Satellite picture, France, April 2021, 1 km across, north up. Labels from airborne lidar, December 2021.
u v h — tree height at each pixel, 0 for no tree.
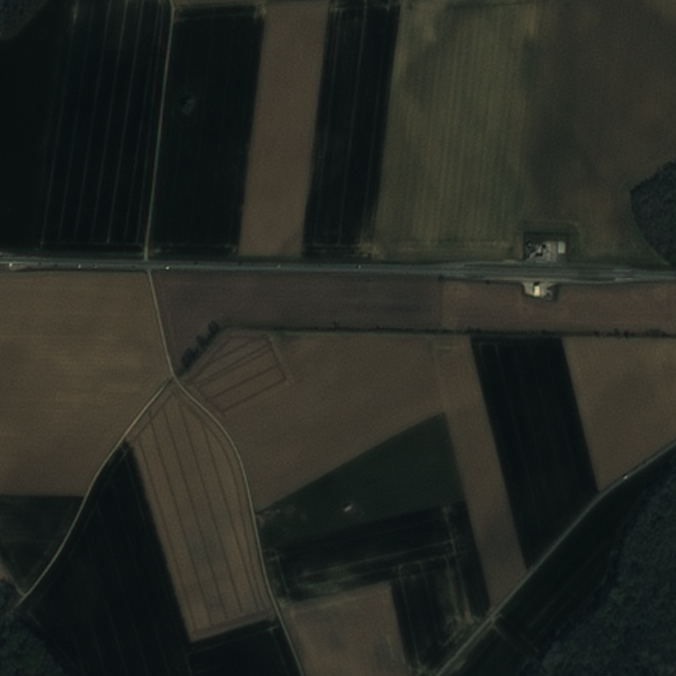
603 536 0
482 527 0
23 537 0
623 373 0
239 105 0
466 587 0
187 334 0
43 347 0
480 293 0
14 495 0
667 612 29
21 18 20
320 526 0
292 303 0
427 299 0
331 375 0
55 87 0
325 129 0
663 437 0
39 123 0
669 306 0
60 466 0
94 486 0
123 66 0
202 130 0
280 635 0
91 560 0
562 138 0
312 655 0
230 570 0
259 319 0
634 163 0
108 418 0
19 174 0
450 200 0
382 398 0
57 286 0
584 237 0
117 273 0
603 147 0
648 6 0
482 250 0
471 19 0
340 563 0
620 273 0
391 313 0
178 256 0
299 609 0
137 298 0
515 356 0
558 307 0
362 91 0
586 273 0
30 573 0
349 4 0
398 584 0
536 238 0
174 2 0
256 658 0
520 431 0
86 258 0
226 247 0
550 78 0
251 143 0
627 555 18
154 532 0
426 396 0
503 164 0
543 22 0
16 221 0
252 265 0
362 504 0
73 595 0
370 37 0
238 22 0
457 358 0
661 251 14
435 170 0
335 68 0
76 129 0
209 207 0
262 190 0
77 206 0
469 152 0
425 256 0
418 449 0
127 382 0
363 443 0
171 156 0
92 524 0
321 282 0
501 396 0
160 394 0
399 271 0
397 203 0
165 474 0
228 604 0
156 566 0
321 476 0
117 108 0
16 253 0
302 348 0
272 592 0
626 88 0
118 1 0
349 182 0
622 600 20
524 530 0
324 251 0
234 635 0
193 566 0
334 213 0
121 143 0
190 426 0
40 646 23
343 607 0
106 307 0
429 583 0
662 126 0
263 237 0
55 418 0
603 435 0
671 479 24
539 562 0
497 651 0
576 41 0
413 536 0
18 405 0
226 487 0
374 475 0
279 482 0
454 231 0
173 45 0
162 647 0
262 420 0
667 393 0
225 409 0
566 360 0
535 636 0
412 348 0
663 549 20
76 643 0
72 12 0
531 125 0
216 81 0
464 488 0
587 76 0
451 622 0
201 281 0
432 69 0
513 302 0
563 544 0
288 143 0
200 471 0
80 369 0
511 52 0
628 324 0
